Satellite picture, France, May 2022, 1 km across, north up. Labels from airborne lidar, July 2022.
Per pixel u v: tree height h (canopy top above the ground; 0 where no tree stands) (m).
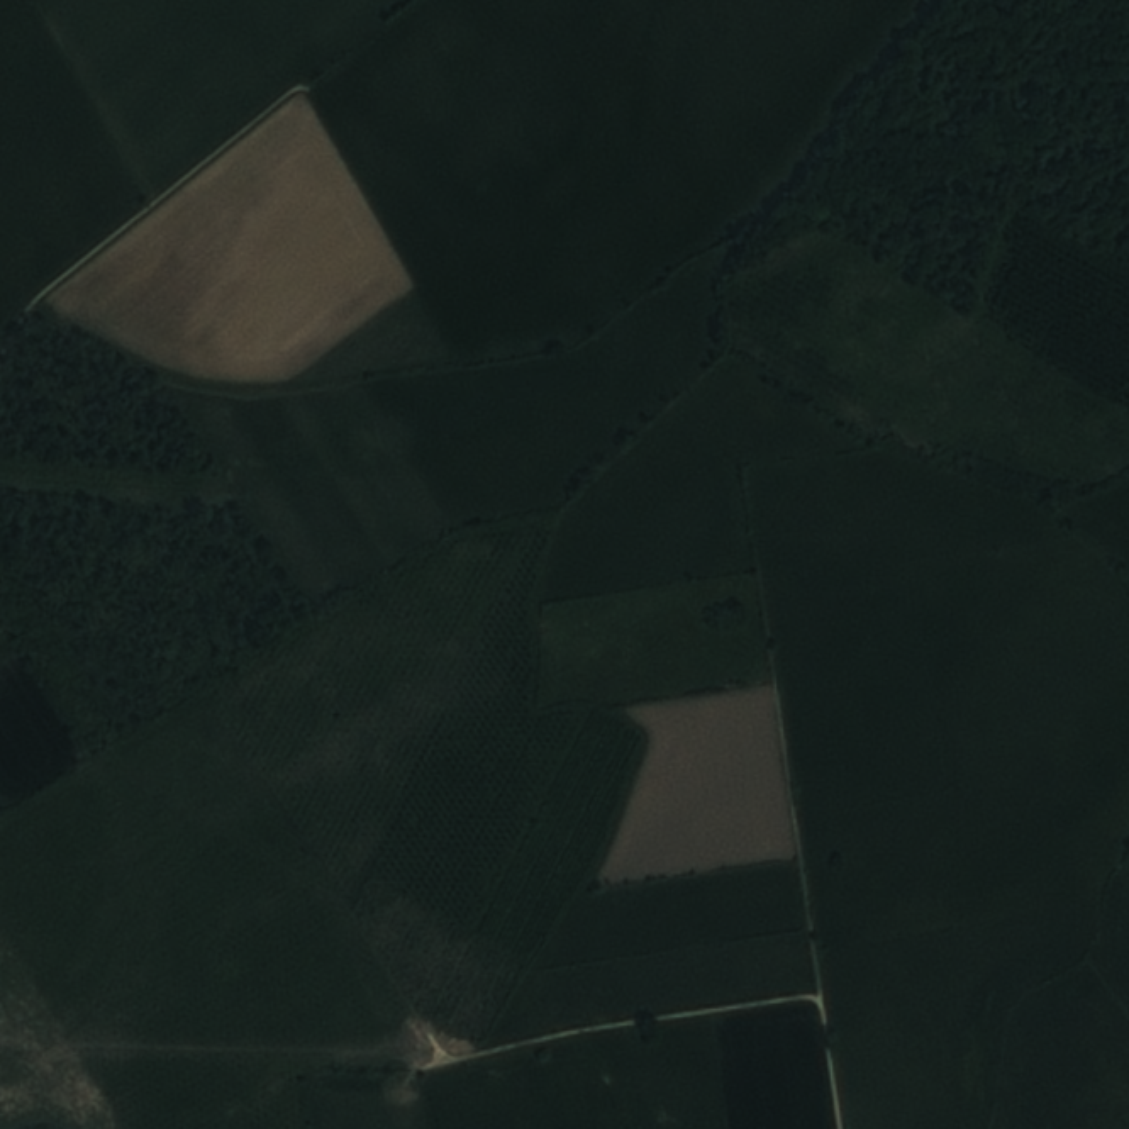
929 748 0
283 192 0
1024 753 0
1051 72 30
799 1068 0
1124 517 0
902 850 0
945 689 0
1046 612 0
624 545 0
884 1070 0
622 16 0
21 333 20
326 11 0
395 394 0
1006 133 31
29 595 7
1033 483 11
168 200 0
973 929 0
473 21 0
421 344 0
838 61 0
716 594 0
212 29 0
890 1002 0
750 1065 0
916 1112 0
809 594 0
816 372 6
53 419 15
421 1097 0
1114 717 0
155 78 0
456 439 0
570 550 0
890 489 0
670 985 0
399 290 0
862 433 7
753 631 0
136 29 0
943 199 31
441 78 0
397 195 0
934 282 29
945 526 0
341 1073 11
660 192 0
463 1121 0
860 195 29
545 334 0
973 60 23
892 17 0
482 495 0
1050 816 0
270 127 0
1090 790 0
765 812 0
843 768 0
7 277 0
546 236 0
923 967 0
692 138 0
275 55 0
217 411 0
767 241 26
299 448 0
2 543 8
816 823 0
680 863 0
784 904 0
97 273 0
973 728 0
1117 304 10
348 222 0
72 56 0
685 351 0
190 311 0
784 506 0
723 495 0
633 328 0
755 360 8
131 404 30
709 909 0
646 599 0
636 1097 0
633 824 0
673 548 0
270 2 0
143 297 0
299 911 0
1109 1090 0
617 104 0
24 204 0
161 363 0
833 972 0
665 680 0
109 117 0
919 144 30
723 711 0
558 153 0
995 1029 0
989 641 0
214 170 0
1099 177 22
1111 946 0
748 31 0
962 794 0
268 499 0
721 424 0
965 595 0
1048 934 0
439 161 0
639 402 0
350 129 0
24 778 0
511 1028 0
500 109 0
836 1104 0
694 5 0
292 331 0
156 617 23
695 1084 0
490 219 0
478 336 0
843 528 0
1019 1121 0
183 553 28
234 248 0
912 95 20
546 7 0
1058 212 24
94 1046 0
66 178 0
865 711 0
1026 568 0
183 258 0
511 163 0
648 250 0
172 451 26
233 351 0
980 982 0
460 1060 0
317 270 0
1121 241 25
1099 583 0
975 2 25
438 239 0
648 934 0
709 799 0
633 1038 0
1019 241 10
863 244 23
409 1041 0
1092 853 0
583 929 0
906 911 0
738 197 0
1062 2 23
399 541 0
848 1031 0
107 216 0
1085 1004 0
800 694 0
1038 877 0
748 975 0
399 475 0
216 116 0
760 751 0
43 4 0
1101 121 25
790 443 0
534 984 0
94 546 18
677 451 0
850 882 0
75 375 25
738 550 0
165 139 0
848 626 0
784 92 0
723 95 0
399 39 0
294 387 0
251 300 0
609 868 0
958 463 7
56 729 0
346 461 0
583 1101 0
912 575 0
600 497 0
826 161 22
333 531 0
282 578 20
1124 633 0
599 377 0
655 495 0
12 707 0
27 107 0
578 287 0
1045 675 0
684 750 0
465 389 0
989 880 0
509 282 0
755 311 6
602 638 0
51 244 0
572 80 0
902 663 0
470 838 10
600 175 0
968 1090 0
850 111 20
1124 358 10
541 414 0
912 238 30
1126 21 27
